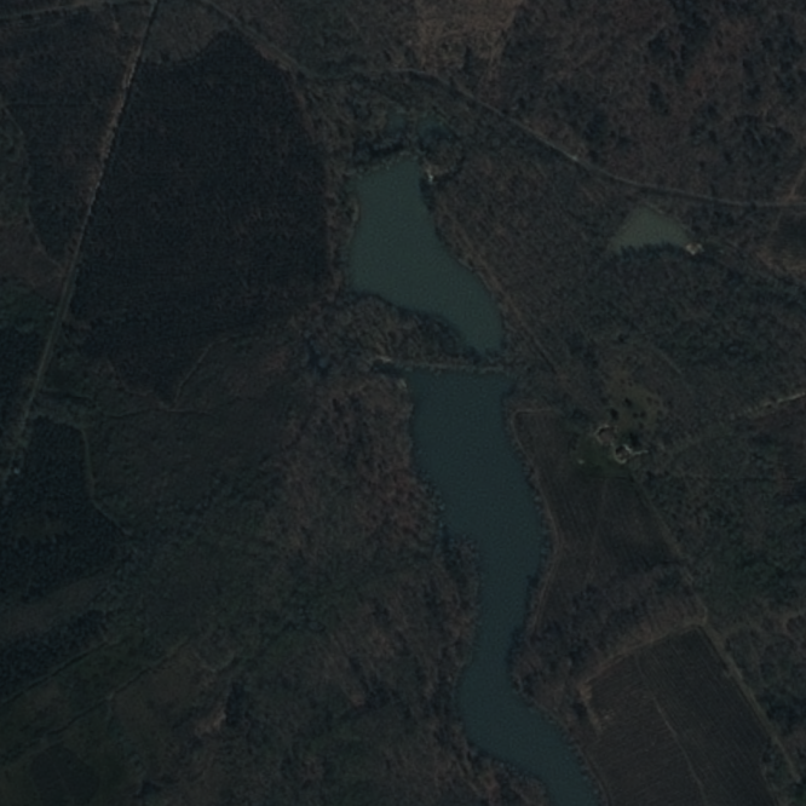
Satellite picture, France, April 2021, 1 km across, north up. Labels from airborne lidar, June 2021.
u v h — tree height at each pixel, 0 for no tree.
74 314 16
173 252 12
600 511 0
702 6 21
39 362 18
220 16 15
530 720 0
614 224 22
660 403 6
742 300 23
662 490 9
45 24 11
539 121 12
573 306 18
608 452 0
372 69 16
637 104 13
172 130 15
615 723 0
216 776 0
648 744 0
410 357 20
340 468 19
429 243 0
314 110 15
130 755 9
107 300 17
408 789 15
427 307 0
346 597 25
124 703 0
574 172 16
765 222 13
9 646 14
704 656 0
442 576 16
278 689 20
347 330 17
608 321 22
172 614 15
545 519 16
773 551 18
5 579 16
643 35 11
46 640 13
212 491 9
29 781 0
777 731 18
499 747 0
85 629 15
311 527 17
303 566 18
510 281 13
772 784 19
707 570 19
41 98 16
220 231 16
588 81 10
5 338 18
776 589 12
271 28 8
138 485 7
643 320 28
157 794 25
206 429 7
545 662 20
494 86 10
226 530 17
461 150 19
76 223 12
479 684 0
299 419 7
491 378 0
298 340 9
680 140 7
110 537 18
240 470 6
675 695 0
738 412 18
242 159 16
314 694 19
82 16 10
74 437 17
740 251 8
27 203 12
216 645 17
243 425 8
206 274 15
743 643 19
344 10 12
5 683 17
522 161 18
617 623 16
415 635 16
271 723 15
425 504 7
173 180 14
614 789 0
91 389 8
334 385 19
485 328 0
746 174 6
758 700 11
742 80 7
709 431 23
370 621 14
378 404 17
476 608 7
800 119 8
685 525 9
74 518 17
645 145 9
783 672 17
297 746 15
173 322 16
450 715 18
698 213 11
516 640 10
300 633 26
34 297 8
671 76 14
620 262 15
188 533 20
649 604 15
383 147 18
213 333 13
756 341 29
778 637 20
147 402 5
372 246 0
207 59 15
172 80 14
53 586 16
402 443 19
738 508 11
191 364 13
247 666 16
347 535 16
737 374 23
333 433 23
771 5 8
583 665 18
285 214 16
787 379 24
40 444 17
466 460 0
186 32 14
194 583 16
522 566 0
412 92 18
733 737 0
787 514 23
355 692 17
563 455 0
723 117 9
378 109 19
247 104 16
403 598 16
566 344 22
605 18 9
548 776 0
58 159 15
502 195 10
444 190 16
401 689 19
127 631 9
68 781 0
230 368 7
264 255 15
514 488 0
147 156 15
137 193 14
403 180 0
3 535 16
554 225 20
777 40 10
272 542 11
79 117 15
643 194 14
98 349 14
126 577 16
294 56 17
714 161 5
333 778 18
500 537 0
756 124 10
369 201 0
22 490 18
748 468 13
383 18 9
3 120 7
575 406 15
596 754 0
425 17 0
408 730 20
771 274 18
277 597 22
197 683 6
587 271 19
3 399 17
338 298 16
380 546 18
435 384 0
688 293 23
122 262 15
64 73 13
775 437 10
